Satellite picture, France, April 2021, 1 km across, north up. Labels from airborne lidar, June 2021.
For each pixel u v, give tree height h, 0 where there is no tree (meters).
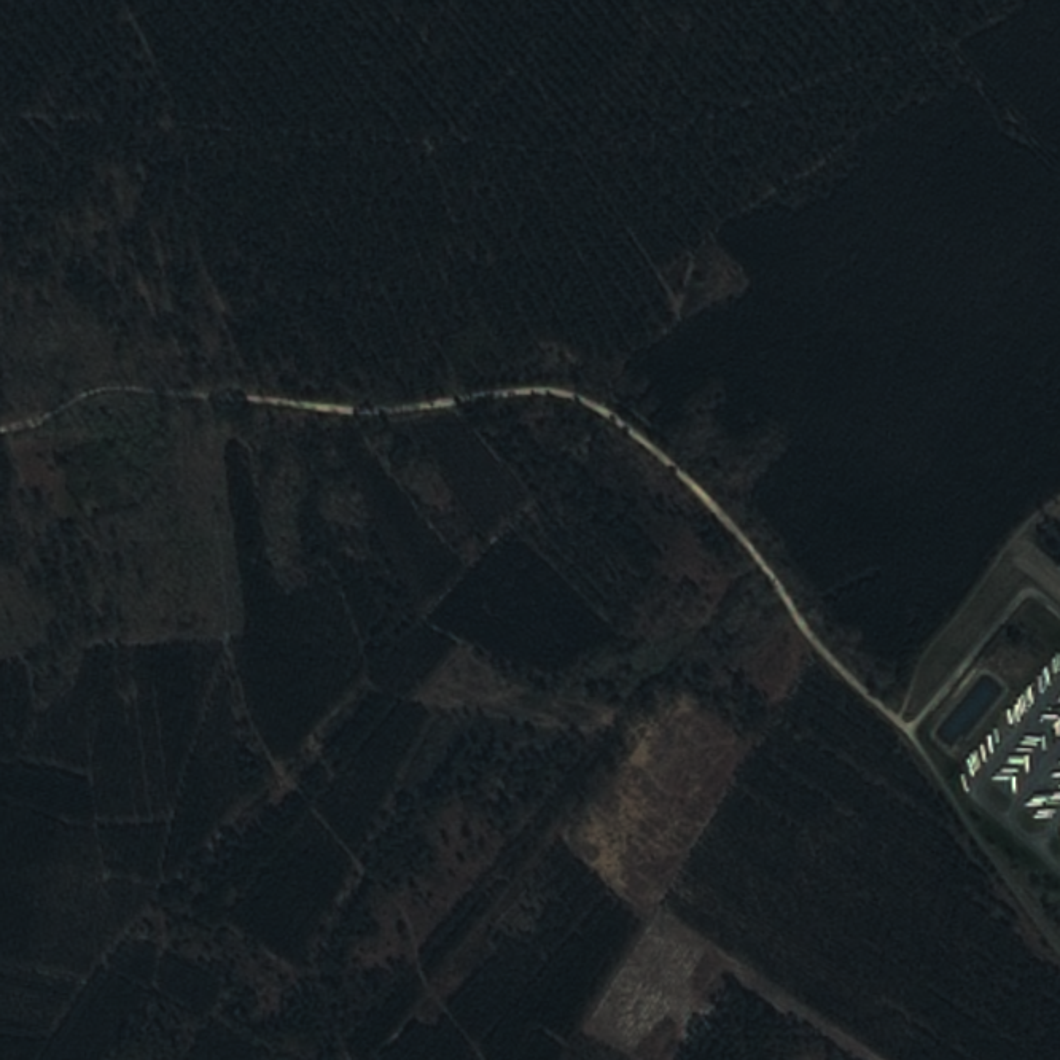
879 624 10
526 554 7
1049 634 0
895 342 9
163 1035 21
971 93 10
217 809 10
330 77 17
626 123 14
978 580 10
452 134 16
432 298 16
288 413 9
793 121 10
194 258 18
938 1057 11
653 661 14
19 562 16
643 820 0
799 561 11
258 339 19
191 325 13
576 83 15
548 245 18
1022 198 10
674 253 11
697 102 16
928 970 12
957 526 10
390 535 10
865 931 11
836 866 12
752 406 11
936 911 12
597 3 13
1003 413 9
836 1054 21
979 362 8
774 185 9
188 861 9
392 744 10
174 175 17
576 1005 11
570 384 11
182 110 17
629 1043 0
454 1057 10
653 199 13
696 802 0
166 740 10
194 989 9
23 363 14
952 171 10
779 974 13
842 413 9
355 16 13
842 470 9
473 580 7
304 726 8
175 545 11
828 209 9
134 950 7
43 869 9
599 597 12
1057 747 0
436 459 7
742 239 10
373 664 10
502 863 10
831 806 11
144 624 12
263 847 14
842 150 10
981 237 9
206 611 11
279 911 12
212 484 14
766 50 16
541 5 13
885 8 15
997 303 7
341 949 12
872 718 9
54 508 13
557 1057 9
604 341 13
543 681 7
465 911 10
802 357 11
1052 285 9
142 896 10
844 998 12
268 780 21
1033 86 10
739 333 11
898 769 10
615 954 9
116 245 14
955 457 10
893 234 9
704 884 11
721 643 9
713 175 13
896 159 10
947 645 0
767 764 13
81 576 21
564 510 7
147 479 21
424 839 9
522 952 9
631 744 9
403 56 15
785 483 10
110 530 15
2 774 10
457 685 0
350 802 10
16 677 9
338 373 16
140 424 20
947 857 11
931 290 8
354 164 16
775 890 11
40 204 15
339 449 11
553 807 9
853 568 10
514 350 15
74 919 9
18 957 9
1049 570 0
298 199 19
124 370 14
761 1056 21
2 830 10
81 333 16
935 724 0
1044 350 8
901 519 10
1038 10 9
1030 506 9
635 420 11
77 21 14
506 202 16
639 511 11
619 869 0
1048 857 0
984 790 0
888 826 10
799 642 0
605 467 6
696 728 0
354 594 12
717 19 15
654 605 7
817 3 13
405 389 16
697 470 7
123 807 11
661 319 14
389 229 17
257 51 16
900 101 14
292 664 9
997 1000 11
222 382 18
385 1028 10
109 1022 9
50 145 14
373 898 14
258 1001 0
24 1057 7
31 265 9
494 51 15
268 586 12
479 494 10
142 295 11
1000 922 11
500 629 8
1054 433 10
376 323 18
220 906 14
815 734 13
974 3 14
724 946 11
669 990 0
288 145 15
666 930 0
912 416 10
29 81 16
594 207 15
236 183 17
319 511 14
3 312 14
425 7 17
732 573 11
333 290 16
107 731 10
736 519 13
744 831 11
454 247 15
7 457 14
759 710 18
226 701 10
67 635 15
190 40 14
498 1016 9
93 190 16
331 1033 0
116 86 15
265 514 14
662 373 9
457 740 8
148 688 8
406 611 10
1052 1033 12
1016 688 0
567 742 16
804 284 10
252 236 15
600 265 16
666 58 16
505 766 16
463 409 12
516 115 14
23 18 14
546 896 10
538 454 11
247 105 15
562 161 15
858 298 10
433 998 0
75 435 19
